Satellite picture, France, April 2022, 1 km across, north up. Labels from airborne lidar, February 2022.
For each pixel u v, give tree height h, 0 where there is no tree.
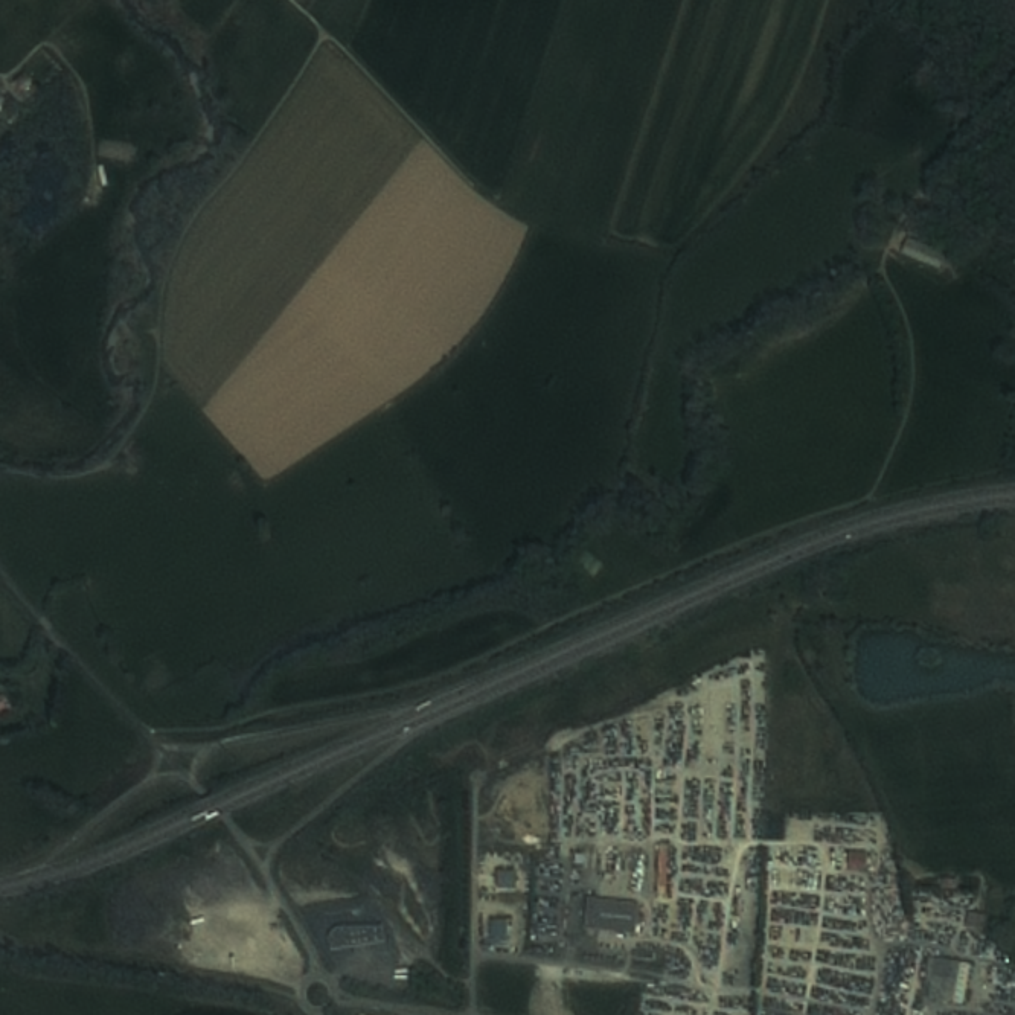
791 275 0
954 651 0
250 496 0
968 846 0
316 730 0
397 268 0
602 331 0
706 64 0
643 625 0
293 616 0
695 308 0
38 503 0
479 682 0
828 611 0
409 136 0
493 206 0
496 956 0
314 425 0
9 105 17
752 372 0
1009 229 20
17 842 0
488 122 0
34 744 0
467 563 0
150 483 0
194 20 0
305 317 0
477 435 0
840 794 0
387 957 0
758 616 0
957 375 0
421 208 0
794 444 0
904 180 0
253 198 0
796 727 0
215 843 0
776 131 0
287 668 11
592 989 0
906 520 0
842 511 0
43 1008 0
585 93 0
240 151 17
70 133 13
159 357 0
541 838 0
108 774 0
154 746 0
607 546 0
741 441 0
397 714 0
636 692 0
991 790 0
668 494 20
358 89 0
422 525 0
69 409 10
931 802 0
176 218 10
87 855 0
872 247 17
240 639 0
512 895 0
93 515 0
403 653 0
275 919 0
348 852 0
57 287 0
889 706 0
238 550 0
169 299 0
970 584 0
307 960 0
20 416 0
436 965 0
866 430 0
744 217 0
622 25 0
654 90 0
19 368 0
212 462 0
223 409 0
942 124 0
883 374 0
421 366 0
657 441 0
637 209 0
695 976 0
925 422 0
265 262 0
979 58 16
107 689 0
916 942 0
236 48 0
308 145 0
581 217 0
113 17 0
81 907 0
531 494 0
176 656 0
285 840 0
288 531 0
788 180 0
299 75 0
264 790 0
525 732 0
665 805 0
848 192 0
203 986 21
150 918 0
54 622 0
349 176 0
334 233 0
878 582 0
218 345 0
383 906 0
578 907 0
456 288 0
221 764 0
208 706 0
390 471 0
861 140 0
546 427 0
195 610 0
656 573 0
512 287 0
